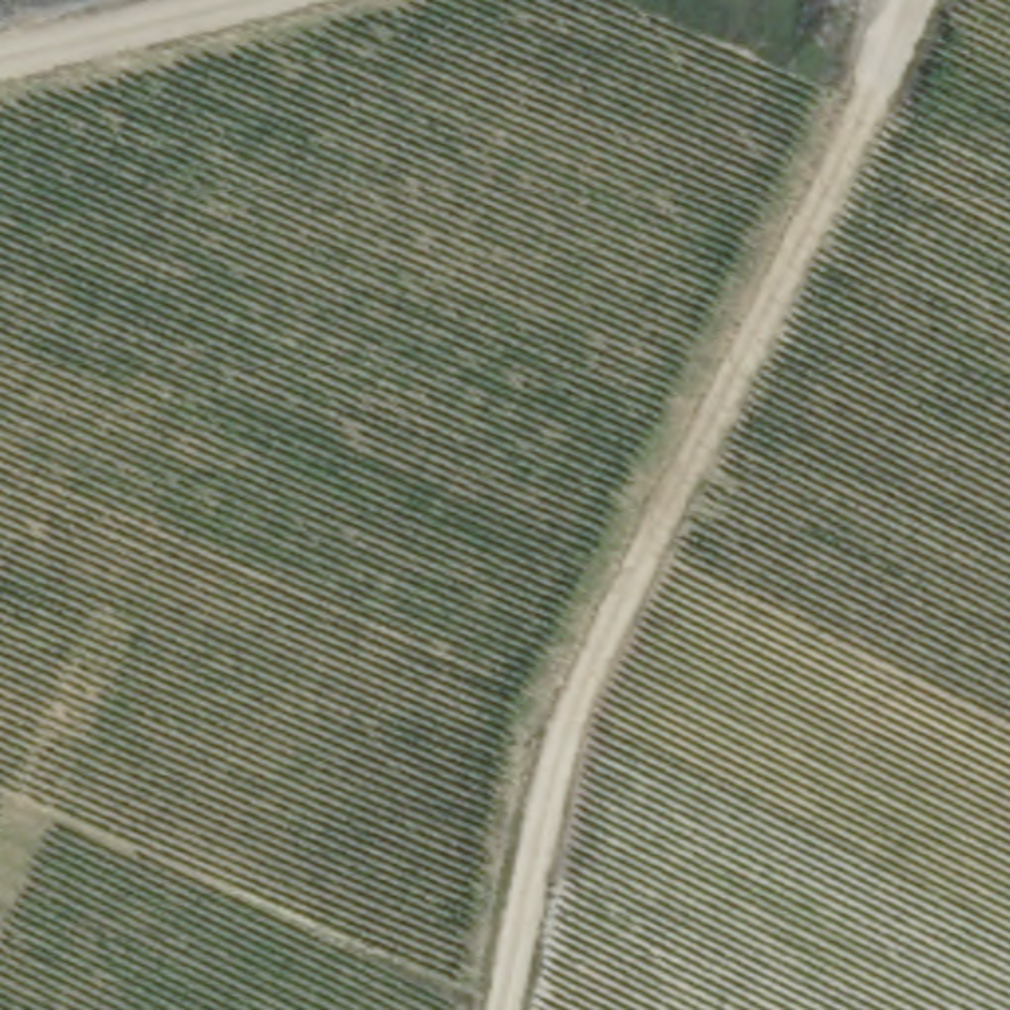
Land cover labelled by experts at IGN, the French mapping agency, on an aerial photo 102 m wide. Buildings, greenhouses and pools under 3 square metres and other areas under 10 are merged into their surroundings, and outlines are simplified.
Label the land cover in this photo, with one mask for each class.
<instances>
[{"label":"vineyard","instance_id":"1","mask_svg":"<svg viewBox=\"0 0 1010 1010\"><path fill-rule=\"evenodd\" d=\"M884 0H316L276 16L158 39L99 59L55 63L24 79H0V1010H485L541 750L556 718V706L568 690V679L576 671L580 647L608 596V564L612 556H623L631 548L643 517L663 493V454H679L686 430L694 426L710 375L730 351L734 331L742 327V316L754 300L758 276L773 264L785 225L793 209L805 201L852 99L856 43L860 32L880 16ZM521 1010H1010V0H939L915 43V59L907 63L888 103V114L876 126V138L868 142L856 166L848 209L825 233L797 288L793 316L785 320V339L773 343L769 359L750 379L742 418L726 430L718 462L706 466V473L690 489L675 537L667 541L655 564L643 604L592 706L564 789L556 848L544 872V896L521 990Z\"/></svg>","mask_w":1010,"mask_h":1010},{"label":"pervious surface","instance_id":"2","mask_svg":"<svg viewBox=\"0 0 1010 1010\"><path fill-rule=\"evenodd\" d=\"M158 0H0V32H43L67 20H91ZM876 138V126L852 99L805 201L793 209L785 225L773 264L758 276L754 300L742 316V327L734 331L730 351L710 375L694 426L686 430L679 454H663V493L643 517L631 548L623 556H612L608 564V596L580 647L576 671L568 679V690L556 706V718L541 750L485 1010H521V990L544 896V872L556 848L564 789L592 706L643 604L655 564L667 541L675 537L690 489L706 473V466L718 462L726 430L742 418L750 379L769 359L773 343L785 339V320L793 316L797 288L825 233L848 209L856 166L868 142Z\"/></svg>","mask_w":1010,"mask_h":1010},{"label":"impervious surface","instance_id":"3","mask_svg":"<svg viewBox=\"0 0 1010 1010\"><path fill-rule=\"evenodd\" d=\"M316 0H158L91 20H67L43 32H0V79H24L55 63L99 59L158 39L276 16ZM939 0H884L880 16L860 32L856 43L852 99L876 126L888 114V103L907 63L915 59V43Z\"/></svg>","mask_w":1010,"mask_h":1010}]
</instances>
